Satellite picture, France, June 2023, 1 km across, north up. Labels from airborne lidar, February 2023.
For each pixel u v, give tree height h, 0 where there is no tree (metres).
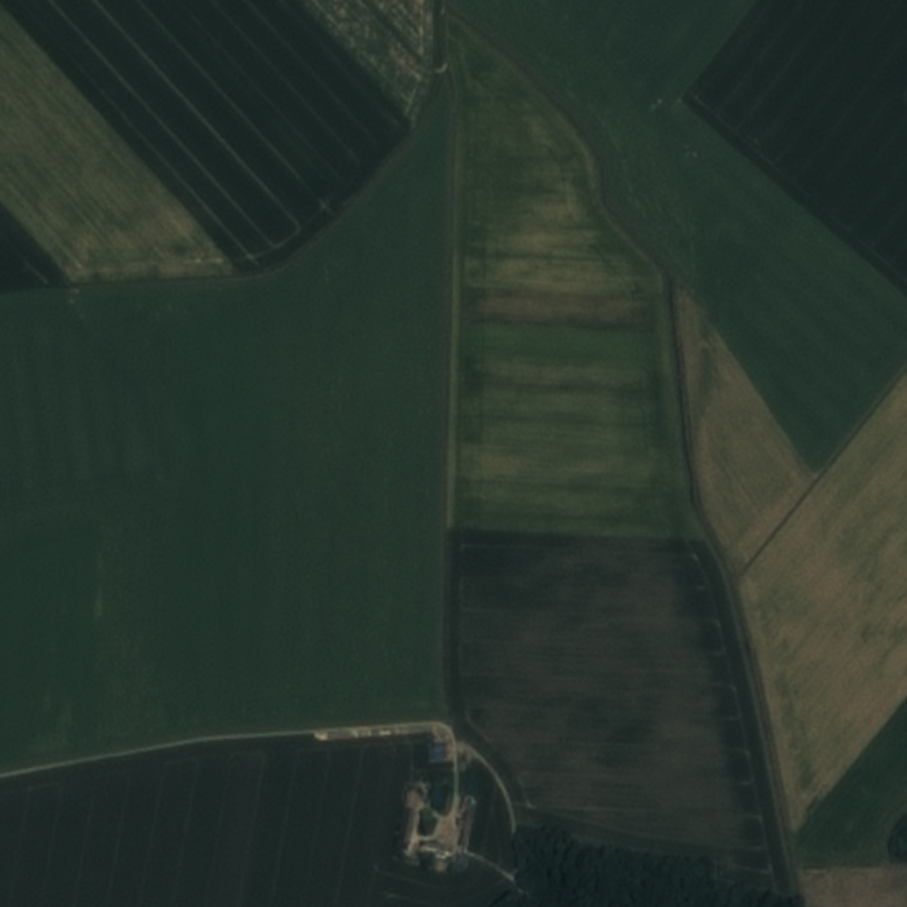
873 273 0
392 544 0
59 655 0
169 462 0
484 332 0
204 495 0
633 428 0
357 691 0
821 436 0
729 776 0
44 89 0
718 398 0
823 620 0
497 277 0
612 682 0
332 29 0
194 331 0
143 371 0
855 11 0
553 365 0
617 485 0
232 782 0
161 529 0
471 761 0
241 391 0
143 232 0
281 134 0
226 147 0
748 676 0
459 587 0
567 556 0
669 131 0
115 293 0
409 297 0
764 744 0
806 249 0
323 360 0
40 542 0
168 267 0
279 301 0
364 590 0
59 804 0
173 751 0
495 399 0
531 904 20
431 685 0
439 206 0
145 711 0
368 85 0
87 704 0
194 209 0
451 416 0
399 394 0
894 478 0
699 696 0
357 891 0
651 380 0
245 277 0
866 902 0
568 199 0
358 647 0
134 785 0
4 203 0
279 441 0
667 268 0
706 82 0
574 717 0
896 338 0
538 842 15
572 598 0
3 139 0
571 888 22
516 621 0
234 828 0
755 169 0
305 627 0
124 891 0
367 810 0
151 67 0
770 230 0
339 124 0
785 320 0
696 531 0
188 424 0
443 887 0
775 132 0
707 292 0
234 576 0
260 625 0
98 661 0
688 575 0
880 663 0
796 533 0
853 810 0
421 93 0
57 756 0
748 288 0
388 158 0
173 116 0
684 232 0
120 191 0
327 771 0
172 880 0
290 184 0
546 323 0
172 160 0
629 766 0
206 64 0
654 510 0
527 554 0
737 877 0
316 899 0
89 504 0
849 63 0
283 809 0
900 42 0
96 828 0
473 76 0
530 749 0
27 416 0
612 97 0
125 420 0
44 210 0
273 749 0
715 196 0
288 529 0
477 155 0
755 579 0
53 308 0
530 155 0
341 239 0
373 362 0
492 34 0
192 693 0
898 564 0
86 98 0
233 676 0
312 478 0
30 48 0
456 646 0
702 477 0
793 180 0
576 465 0
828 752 0
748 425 0
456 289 0
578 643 0
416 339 0
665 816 0
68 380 0
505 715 0
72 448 0
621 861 16
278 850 0
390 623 0
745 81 0
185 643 0
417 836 0
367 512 0
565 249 0
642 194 0
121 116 0
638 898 24
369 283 0
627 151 0
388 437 0
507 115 0
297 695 0
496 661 0
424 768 0
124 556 0
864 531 0
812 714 0
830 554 0
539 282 0
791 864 0
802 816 0
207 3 0
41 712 0
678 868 17
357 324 0
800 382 0
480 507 0
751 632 0
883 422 0
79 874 0
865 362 0
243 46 0
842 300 0
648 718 0
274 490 0
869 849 0
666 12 0
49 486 0
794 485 0
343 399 0
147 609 0
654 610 0
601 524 0
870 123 0
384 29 0
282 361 0
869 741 0
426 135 0
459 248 0
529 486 0
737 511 0
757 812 0
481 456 0
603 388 0
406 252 0
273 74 0
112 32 0
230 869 0
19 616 0
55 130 0
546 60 0
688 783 0
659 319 0
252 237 0
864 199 0
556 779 0
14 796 0
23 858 0
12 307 0
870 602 0
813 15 0
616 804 0
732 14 0
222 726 0
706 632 0
